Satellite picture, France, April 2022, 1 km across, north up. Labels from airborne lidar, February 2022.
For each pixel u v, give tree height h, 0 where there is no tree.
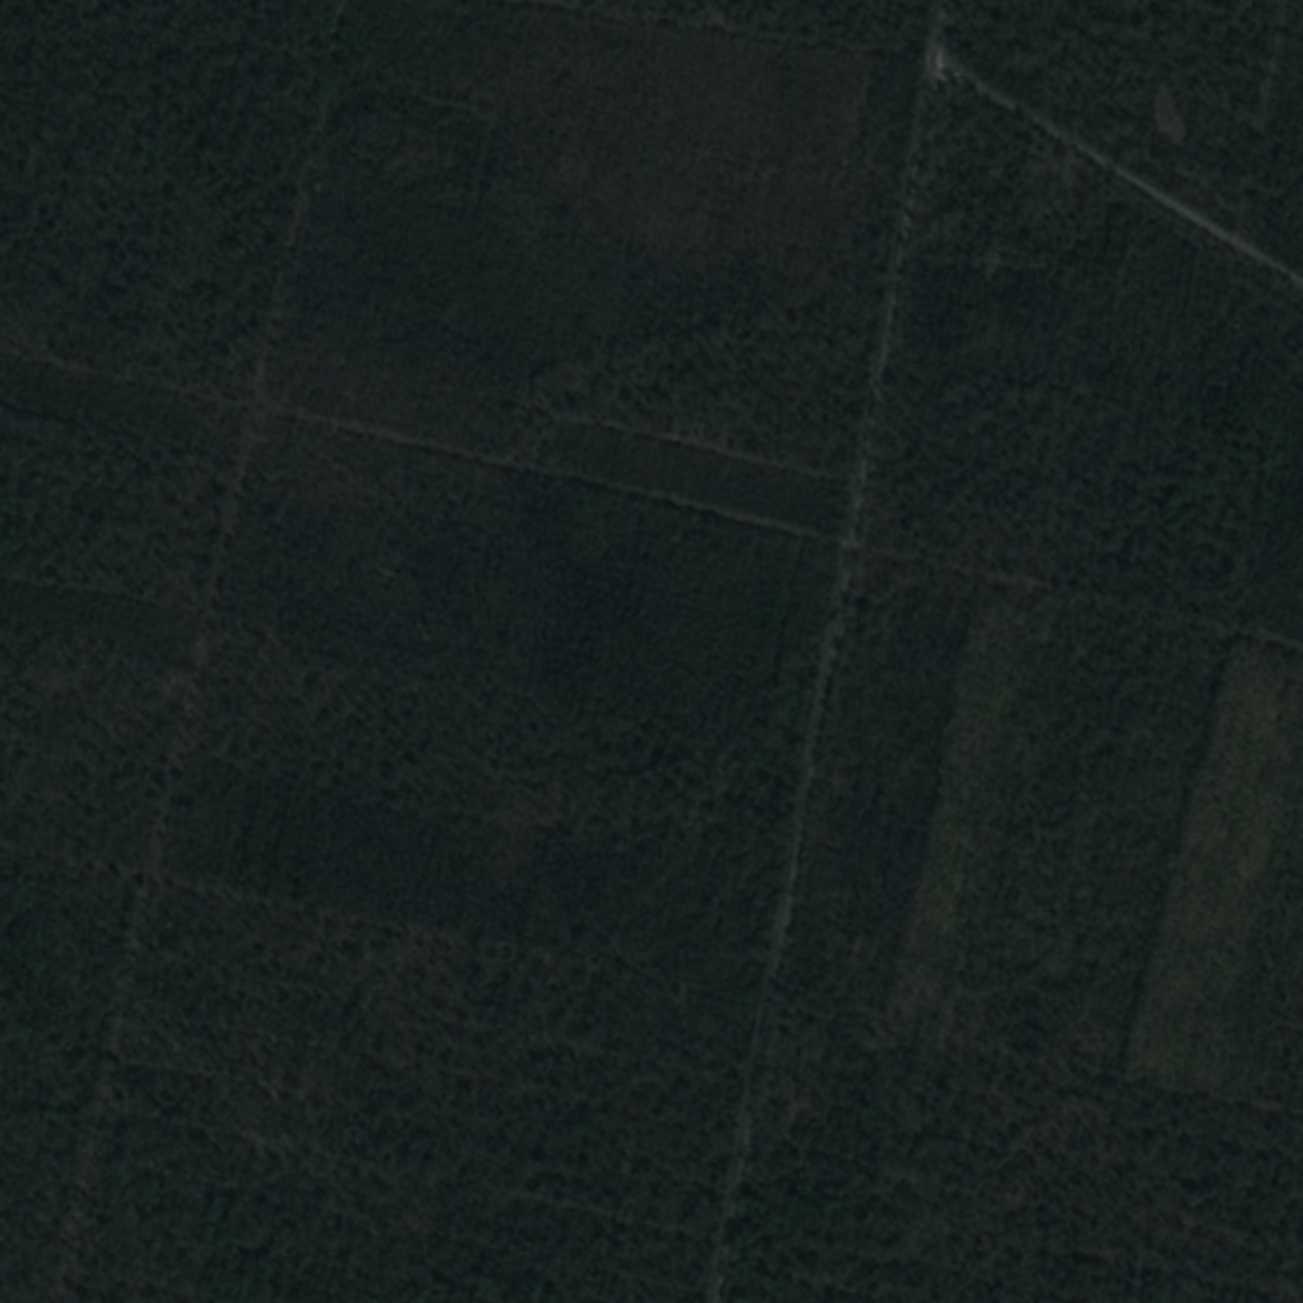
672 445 6
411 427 7
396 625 10
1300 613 8
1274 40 14
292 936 16
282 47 15
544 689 10
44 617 7
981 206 14
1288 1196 16
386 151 9
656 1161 11
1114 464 17
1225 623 12
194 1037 15
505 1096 14
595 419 15
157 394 6
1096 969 11
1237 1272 17
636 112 9
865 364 13
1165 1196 20
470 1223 13
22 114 15
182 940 14
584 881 10
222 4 7
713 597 8
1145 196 10
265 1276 16
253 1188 15
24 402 7
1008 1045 17
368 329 8
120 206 13
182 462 13
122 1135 13
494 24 9
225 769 9
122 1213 17
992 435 14
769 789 18
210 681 13
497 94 10
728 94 10
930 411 14
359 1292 14
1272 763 13
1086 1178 15
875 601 10
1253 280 14
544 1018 16
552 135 10
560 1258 18
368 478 11
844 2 14
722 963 9
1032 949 14
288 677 17
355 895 10
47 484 16
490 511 8
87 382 6
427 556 11
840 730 10
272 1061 15
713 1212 17
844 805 12
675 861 9
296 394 6
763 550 9
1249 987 13
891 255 6
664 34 10
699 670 10
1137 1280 15
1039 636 10
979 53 14
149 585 12
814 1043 16
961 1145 17
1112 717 10
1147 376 7
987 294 8
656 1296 10
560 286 7
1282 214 12
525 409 8
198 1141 18
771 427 13
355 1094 12
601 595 13
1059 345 10
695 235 11
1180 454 9
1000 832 12
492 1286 14
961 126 21
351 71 14
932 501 8
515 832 0
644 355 15
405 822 10
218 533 12
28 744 17
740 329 14
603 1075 13
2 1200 15
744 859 10
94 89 16
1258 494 15
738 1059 18
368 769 16
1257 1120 17
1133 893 9
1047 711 10
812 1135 10
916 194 17
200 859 8
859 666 11
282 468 8
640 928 10
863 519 13
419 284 9
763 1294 17
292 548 9
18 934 15
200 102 13
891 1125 19
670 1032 15
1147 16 14
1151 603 15
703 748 15
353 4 7
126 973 9
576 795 18
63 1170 14
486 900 9
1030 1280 17
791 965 11
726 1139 17
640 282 13
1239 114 13
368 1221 17
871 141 10
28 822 15
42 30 17
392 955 18
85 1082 16
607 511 9
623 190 9
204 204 17
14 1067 16
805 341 17
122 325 13
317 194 14
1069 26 17
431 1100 14
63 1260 18
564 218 13
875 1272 13
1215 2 13
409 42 10
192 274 16
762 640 8
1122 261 10
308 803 9
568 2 8
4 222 12
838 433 15
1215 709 11
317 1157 18
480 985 15
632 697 11
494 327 12
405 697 17
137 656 16
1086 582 12
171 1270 15
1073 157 20
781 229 6
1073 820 14
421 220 11
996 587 10
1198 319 8
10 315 17
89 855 17
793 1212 21
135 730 16
